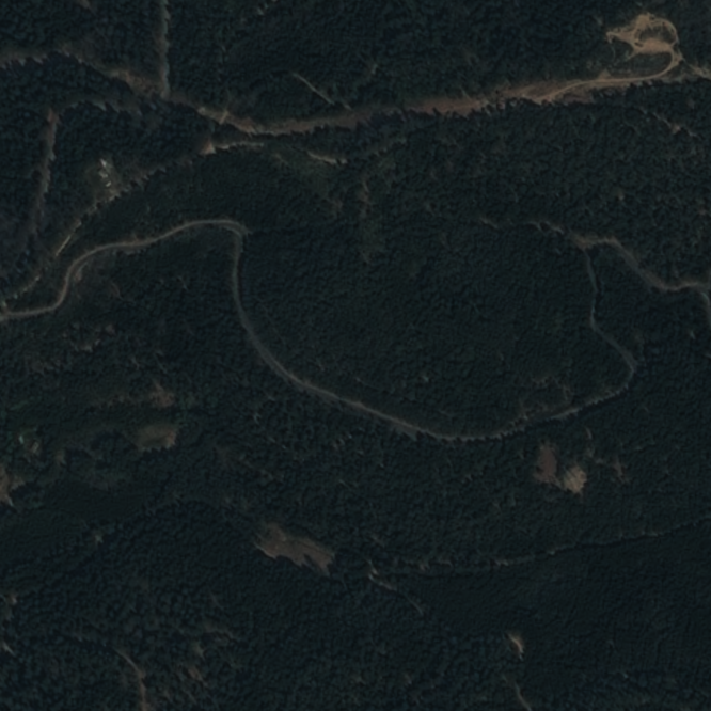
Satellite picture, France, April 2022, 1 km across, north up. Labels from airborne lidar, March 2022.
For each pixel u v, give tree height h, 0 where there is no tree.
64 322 7
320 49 24
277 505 20
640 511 21
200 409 9
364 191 14
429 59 25
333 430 26
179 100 0
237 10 11
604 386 18
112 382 24
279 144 8
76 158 15
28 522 14
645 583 22
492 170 22
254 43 26
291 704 30
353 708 15
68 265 17
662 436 18
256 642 31
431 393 21
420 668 25
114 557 27
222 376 12
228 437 22
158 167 12
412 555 18
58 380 22
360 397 16
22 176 15
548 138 27
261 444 8
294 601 22
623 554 18
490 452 22
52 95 28
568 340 20
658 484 15
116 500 12
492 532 16
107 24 33
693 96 12
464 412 15
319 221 11
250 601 23
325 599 26
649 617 30
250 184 15
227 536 25
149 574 27
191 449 28
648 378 24
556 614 15
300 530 27
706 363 29
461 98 7
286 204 12
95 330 7
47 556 14
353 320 20
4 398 29
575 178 28
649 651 20
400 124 17
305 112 12
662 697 32
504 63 27
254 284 17
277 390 22
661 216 19
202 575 26
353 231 13
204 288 18
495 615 21
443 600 18
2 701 23
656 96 7
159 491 17
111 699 12
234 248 19
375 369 18
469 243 22
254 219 18
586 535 11
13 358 9
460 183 23
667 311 19
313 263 16
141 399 25
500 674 28
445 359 15
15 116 17
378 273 17
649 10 6
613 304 21
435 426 17
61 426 24
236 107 14
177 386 31
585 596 15
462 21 25
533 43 24
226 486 31
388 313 23
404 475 19
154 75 29
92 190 18
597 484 16
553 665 21
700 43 19
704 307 19
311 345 21
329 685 9
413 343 23
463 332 26
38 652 25
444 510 24
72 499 12
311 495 19
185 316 25
